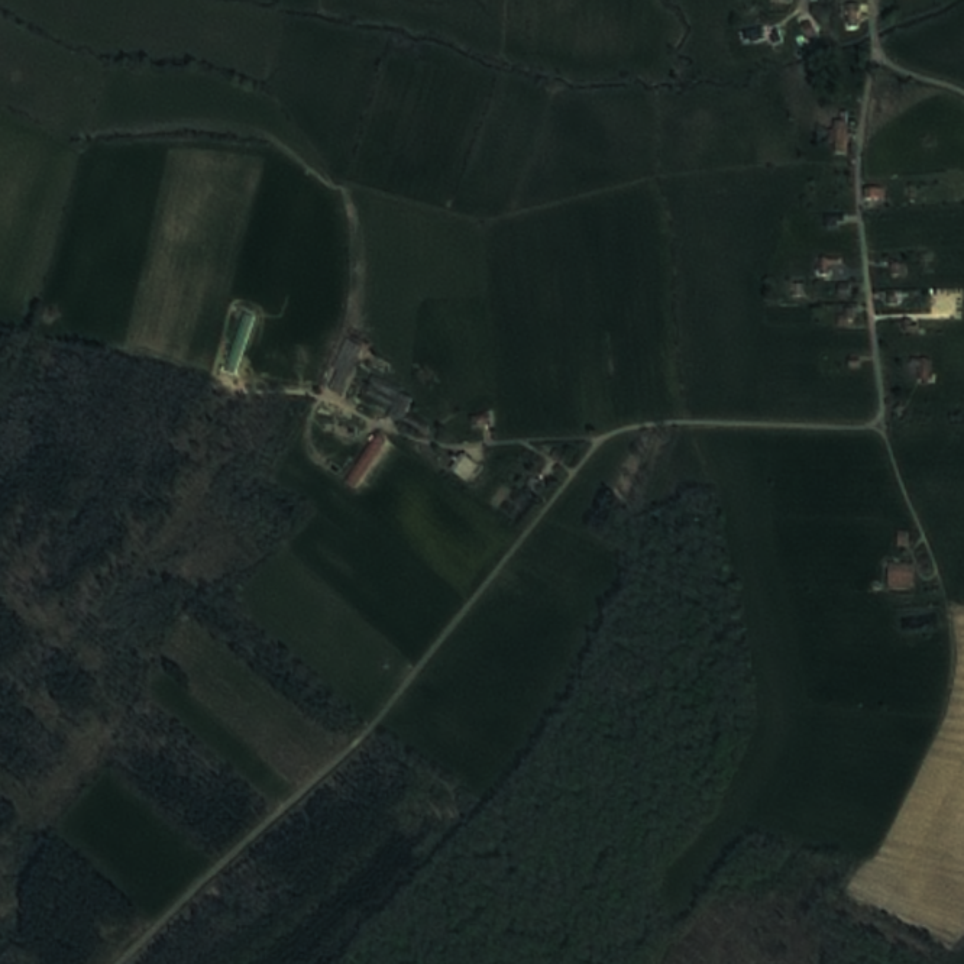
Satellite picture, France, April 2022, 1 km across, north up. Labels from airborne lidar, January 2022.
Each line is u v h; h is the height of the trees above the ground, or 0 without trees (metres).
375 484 0
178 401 20
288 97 0
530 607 0
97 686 18
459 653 0
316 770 0
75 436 20
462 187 0
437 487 0
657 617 27
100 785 0
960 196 0
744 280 0
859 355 0
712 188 0
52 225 0
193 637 0
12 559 21
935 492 0
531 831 25
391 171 0
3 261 0
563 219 0
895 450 0
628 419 0
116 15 0
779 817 0
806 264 0
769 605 0
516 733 0
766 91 0
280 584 0
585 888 24
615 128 0
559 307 0
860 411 0
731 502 0
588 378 0
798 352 0
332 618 0
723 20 0
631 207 0
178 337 0
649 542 22
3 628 25
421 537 0
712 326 0
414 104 0
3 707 22
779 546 0
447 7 0
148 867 0
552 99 0
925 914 0
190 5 0
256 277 0
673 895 0
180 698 0
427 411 0
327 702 19
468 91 0
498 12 0
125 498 20
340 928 14
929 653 0
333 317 0
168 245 0
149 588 7
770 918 0
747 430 0
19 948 20
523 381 0
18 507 26
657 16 0
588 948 25
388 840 13
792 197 0
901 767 0
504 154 0
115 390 19
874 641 0
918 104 0
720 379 0
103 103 0
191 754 18
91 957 26
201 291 0
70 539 19
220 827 20
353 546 0
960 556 0
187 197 0
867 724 0
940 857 0
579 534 0
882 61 0
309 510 10
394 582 0
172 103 0
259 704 0
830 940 24
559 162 0
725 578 18
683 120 0
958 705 0
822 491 0
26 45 0
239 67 0
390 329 0
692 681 24
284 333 0
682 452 0
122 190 0
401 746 19
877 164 0
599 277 0
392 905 18
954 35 0
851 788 0
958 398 0
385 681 0
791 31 0
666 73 0
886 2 0
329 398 0
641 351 0
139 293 0
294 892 24
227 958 24
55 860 27
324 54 0
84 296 0
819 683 0
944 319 0
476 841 23
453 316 0
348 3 0
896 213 0
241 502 8
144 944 0
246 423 24
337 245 0
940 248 0
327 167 0
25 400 22
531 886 25
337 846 24
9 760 23
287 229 0
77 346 15
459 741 0
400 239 0
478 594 0
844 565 0
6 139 0
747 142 0
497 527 0
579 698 22
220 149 0
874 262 0
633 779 26
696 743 25
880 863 0
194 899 0
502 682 0
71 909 23
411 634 0
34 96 0
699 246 0
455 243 0
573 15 0
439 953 24
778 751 0
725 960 0
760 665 0
